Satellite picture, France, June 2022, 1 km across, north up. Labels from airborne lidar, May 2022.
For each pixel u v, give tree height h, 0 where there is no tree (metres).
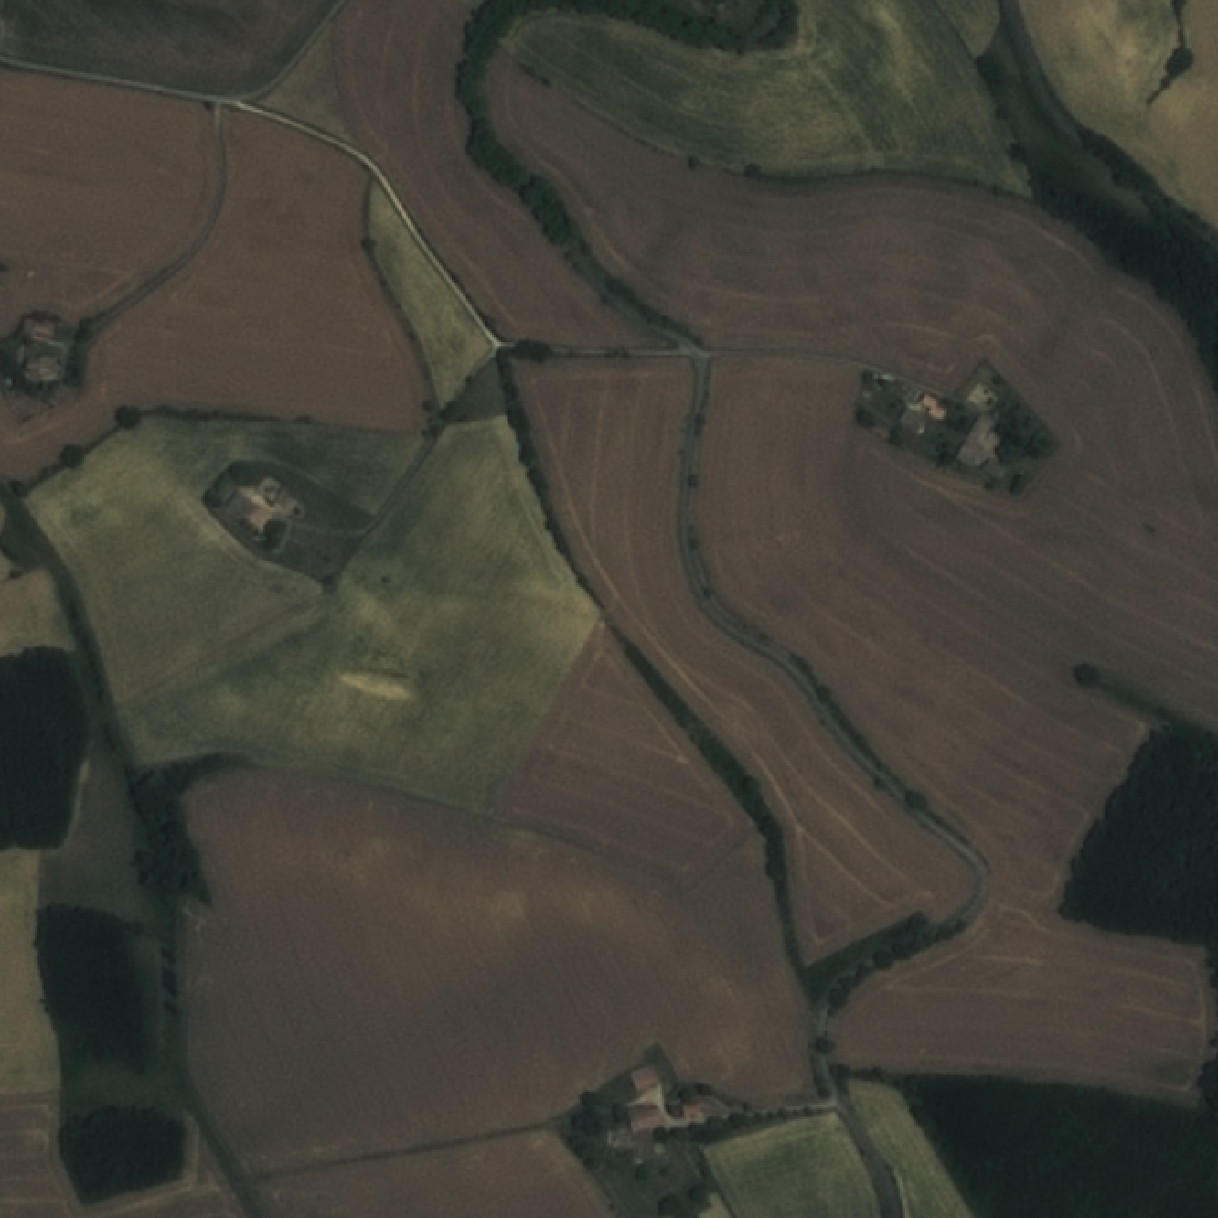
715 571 0
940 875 0
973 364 0
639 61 0
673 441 0
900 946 9
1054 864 0
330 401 0
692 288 0
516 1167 0
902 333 0
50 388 6
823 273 0
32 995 0
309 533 0
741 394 0
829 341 0
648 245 0
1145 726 0
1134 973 0
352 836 0
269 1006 0
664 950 0
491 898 0
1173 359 0
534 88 0
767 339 0
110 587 0
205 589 0
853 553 0
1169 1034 0
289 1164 0
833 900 0
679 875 0
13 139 0
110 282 0
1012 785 0
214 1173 0
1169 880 14
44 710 16
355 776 0
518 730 0
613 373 0
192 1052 0
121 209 0
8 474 0
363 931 0
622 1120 11
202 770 9
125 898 0
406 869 0
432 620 0
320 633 0
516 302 0
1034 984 0
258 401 0
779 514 0
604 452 0
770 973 0
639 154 0
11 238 0
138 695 0
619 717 0
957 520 0
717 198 0
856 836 0
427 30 0
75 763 16
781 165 0
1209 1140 6
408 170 0
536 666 0
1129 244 20
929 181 0
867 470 0
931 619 0
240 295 0
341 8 0
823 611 0
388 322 0
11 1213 0
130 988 15
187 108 0
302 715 0
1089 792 0
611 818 0
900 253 0
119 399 0
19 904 0
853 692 0
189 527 0
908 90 0
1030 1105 6
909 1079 7
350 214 0
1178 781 16
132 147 0
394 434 0
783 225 0
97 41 0
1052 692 0
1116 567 0
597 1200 0
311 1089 0
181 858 13
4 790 10
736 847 0
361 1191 0
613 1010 0
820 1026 0
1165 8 0
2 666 12
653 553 0
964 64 0
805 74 0
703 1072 0
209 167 0
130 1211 0
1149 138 0
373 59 0
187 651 0
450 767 0
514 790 0
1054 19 0
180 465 0
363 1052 0
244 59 0
